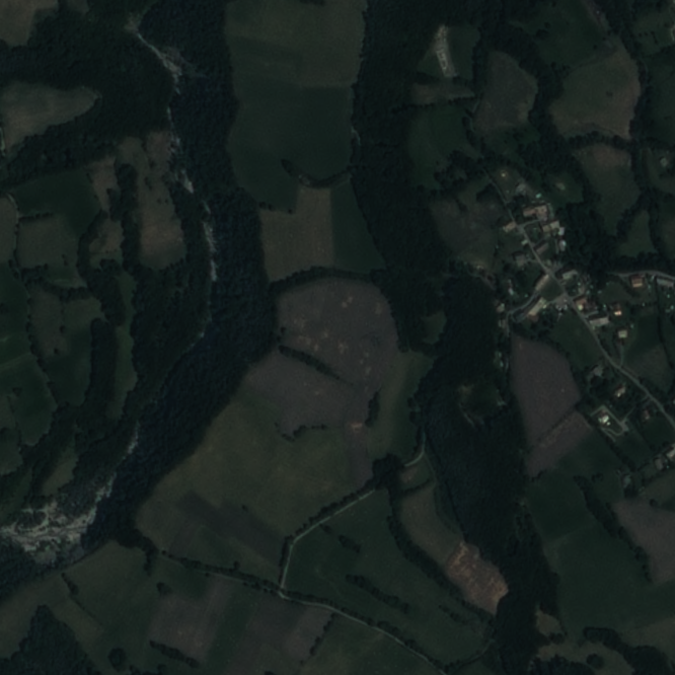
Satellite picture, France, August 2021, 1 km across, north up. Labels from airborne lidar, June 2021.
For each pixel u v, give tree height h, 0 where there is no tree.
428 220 27
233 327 26
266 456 0
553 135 22
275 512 0
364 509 0
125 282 0
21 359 0
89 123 14
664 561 0
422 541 0
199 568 15
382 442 0
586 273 7
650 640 0
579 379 11
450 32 0
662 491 0
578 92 0
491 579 0
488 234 0
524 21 23
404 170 29
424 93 0
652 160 0
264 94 0
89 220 0
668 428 0
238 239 23
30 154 19
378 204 28
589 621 0
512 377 13
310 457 0
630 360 0
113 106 16
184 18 19
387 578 0
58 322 0
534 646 25
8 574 15
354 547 11
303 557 0
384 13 17
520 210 7
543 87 14
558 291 0
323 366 12
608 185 0
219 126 15
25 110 0
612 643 21
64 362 0
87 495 6
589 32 0
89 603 0
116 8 13
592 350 0
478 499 17
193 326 15
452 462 10
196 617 0
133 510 15
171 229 0
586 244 13
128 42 15
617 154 0
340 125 0
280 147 0
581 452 0
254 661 0
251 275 18
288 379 0
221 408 19
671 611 0
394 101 32
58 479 0
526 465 12
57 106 0
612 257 22
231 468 0
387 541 0
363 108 17
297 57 0
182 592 0
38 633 13
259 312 17
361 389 0
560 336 0
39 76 22
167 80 17
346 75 0
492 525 26
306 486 0
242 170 0
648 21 0
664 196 19
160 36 18
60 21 15
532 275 0
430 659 8
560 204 0
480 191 0
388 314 0
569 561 0
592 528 0
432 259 29
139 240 7
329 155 0
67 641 16
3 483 18
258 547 0
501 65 0
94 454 16
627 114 0
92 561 0
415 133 0
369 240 0
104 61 23
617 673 0
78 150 27
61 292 11
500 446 26
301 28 0
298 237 0
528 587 20
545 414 0
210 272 12
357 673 0
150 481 12
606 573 0
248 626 0
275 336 15
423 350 15
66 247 0
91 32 12
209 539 0
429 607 0
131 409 22
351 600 0
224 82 13
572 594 0
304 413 0
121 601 0
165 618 0
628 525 0
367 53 10
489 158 8
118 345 20
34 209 0
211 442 0
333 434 0
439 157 0
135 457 7
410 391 0
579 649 0
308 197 0
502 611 13
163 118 15
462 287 30
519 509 24
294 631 0
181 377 25
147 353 29
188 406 26
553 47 0
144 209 0
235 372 13
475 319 16
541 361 0
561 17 0
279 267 0
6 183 8
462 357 20
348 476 0
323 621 0
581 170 16
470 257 0
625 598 0
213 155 10
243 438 0
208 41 12
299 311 0
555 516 0
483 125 0
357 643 0
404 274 27
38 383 0
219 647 0
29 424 0
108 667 0
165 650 14
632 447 0
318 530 0
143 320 19
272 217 0
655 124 11
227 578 11
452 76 0
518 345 0
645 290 0
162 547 0
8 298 0
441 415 15
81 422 10
